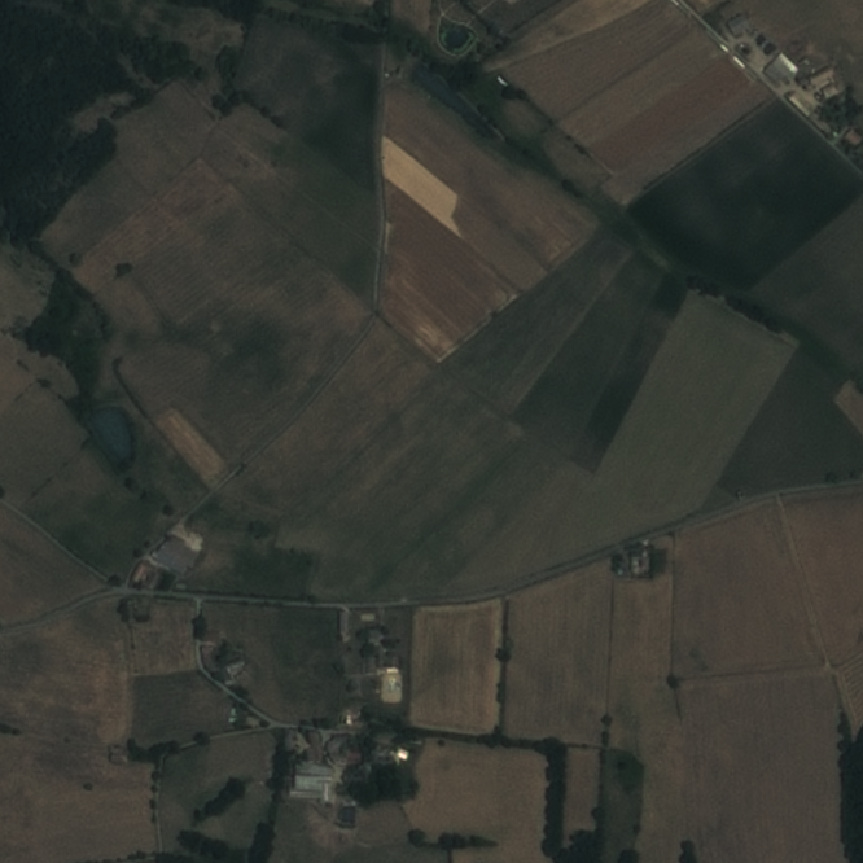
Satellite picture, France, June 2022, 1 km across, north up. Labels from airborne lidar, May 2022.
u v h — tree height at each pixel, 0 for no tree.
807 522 0
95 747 0
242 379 0
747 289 0
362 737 11
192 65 11
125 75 15
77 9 9
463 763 0
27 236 15
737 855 0
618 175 0
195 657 0
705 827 0
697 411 0
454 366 0
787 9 0
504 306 0
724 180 0
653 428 0
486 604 0
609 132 0
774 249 0
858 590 0
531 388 0
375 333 0
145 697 0
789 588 0
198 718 0
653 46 0
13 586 0
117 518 0
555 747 15
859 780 22
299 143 0
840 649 0
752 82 0
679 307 0
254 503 0
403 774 0
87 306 0
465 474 0
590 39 0
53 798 0
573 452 0
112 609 0
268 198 0
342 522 0
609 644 0
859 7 0
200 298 0
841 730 11
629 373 0
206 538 0
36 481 0
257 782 0
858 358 0
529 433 0
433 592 0
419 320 0
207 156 0
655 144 0
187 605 0
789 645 0
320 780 0
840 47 0
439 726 0
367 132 0
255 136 0
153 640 0
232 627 0
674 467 0
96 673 0
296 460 0
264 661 0
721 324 0
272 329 0
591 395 0
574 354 0
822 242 0
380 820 0
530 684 0
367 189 0
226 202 0
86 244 0
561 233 0
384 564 0
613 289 0
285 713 0
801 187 0
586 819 0
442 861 0
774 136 0
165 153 0
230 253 0
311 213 0
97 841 0
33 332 19
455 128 0
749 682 0
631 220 0
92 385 0
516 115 0
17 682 0
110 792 0
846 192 0
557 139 0
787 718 0
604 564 0
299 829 0
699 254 0
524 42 0
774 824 0
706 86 0
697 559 0
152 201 0
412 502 0
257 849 14
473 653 0
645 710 0
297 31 0
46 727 0
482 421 0
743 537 0
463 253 0
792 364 0
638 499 0
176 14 0
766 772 0
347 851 0
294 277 0
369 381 0
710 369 0
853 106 11
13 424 0
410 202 0
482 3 0
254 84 0
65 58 14
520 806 0
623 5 0
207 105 0
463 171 0
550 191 0
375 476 0
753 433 0
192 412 0
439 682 0
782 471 0
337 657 0
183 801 0
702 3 0
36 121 14
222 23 0
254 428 0
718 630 0
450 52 0
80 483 0
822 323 0
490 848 0
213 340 0
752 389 0
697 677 0
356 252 0
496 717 0
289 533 0
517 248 0
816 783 0
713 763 0
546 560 0
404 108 0
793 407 0
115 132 9
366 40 16
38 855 0
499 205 0
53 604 0
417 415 0
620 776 0
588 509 0
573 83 0
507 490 0
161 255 0
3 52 15
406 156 0
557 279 0
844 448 0
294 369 0
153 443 0
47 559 0
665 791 0
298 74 0
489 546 0
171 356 0
